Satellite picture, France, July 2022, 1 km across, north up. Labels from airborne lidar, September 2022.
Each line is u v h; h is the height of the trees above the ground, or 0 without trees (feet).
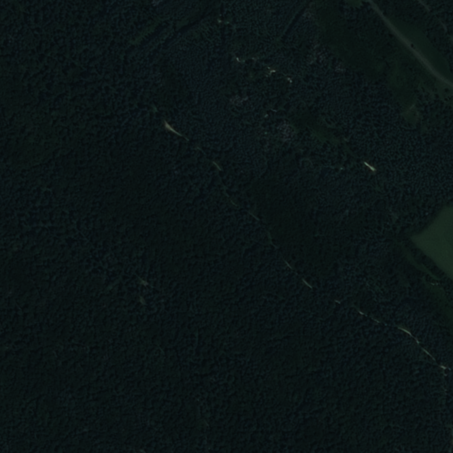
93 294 80
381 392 84
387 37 42
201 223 89
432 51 0
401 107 97
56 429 36
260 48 53
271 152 65
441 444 86
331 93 73
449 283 50
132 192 87
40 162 47
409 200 24
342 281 89
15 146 84
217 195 110
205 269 83
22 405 62
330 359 82
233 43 108
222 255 64
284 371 88
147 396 69
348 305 87
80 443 70
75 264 88
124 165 71
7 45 104
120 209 73
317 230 41
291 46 83
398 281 73
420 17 56
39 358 53
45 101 119
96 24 102
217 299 76
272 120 37
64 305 80
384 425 39
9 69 105
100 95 99
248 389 65
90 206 77
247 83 81
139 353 39
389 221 50
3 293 75
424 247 0
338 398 73
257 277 72
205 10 66
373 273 46
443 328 50
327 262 28
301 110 101
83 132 120
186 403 68
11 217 119
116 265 89
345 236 31
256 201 34
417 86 24
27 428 53
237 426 71
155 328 103
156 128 37
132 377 79
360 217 46
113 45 103
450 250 0
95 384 63
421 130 73
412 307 99
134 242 86
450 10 62
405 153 102
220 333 72
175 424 61
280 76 63
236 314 80
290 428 100
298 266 77
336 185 88
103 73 125
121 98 81
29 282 78
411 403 65
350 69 24
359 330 74
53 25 104
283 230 28
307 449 81
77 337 68
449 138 60
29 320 94
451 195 75
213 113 98
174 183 84
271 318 88
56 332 93
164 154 67
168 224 106
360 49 20
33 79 115
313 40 78
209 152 106
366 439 64
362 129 90
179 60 92
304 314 87
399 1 45
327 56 68
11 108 91
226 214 77
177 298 80
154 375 57
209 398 47
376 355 94
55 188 67
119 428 55
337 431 41
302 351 82
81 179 82
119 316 55
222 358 32
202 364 29
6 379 43
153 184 81
